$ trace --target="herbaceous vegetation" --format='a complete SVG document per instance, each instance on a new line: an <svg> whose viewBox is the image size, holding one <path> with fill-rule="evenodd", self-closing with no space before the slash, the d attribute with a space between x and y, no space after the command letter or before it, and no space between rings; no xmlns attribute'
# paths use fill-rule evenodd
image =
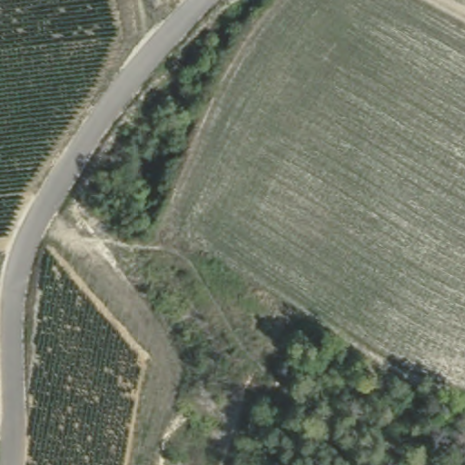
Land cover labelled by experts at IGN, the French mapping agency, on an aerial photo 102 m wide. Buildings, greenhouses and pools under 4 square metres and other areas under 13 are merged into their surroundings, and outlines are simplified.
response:
<svg viewBox="0 0 465 465"><path fill-rule="evenodd" d="M267 440L285 421L296 418L296 401L292 398L292 385L296 385L298 380L294 374L294 367L287 371L287 374L282 374L283 361L289 360L291 356L294 345L292 340L296 332L303 331L305 336L309 336L311 332L316 332L323 336L325 327L318 320L305 316L287 302L282 303L282 316L272 318L267 307L258 302L258 298L245 298L247 287L243 283L242 274L232 271L229 265L225 265L225 262L218 258L209 258L207 252L193 251L187 242L180 242L178 256L160 251L138 251L136 267L124 272L120 265L111 267L98 251L78 254L69 251L69 247L53 238L49 240L49 247L54 247L73 265L74 271L84 278L89 289L107 305L107 309L113 312L120 322L124 323L127 331L133 334L134 340L149 354L140 394L138 423L134 430L131 465L234 465L238 452L236 441L245 438ZM269 398L269 407L278 409L272 423L267 425L260 425L252 414L252 409L260 405L263 398Z"/></svg>
<svg viewBox="0 0 465 465"><path fill-rule="evenodd" d="M0 423L4 420L2 294L5 274L0 272Z"/></svg>
<svg viewBox="0 0 465 465"><path fill-rule="evenodd" d="M96 76L96 82L82 105L87 107L100 102L114 76L120 73L120 67L133 51L134 45L142 40L149 29L153 29L154 25L173 15L178 2L183 0L109 0L116 35L109 45L109 53L105 56L104 65Z"/></svg>

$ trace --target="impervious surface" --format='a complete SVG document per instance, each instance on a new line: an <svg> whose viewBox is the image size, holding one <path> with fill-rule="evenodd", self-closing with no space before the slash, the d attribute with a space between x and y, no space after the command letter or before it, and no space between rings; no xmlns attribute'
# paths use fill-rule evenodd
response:
<svg viewBox="0 0 465 465"><path fill-rule="evenodd" d="M56 223L62 220L58 209L69 193L73 189L76 176L80 174L76 167L76 156L94 153L100 138L122 114L124 105L142 89L143 80L156 65L162 64L174 45L182 42L189 27L216 0L183 0L178 2L173 15L154 25L153 29L149 29L142 40L134 45L133 51L120 67L120 73L114 76L100 102L87 107L82 105L74 114L73 120L65 127L62 136L56 140L53 151L40 165L38 173L25 185L22 203L16 211L11 229L5 236L0 236L0 272L5 274L2 294L4 420L0 423L0 465L27 465L31 458L27 427L31 412L25 409L25 398L31 385L25 381L24 372L25 292L38 243L44 240L45 236L53 236L56 232Z"/></svg>

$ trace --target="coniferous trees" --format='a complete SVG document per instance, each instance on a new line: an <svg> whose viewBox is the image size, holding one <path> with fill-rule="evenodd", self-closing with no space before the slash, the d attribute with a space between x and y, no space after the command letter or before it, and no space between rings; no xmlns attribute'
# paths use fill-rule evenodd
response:
<svg viewBox="0 0 465 465"><path fill-rule="evenodd" d="M182 42L174 45L162 64L156 65L143 80L142 89L124 105L122 114L100 138L94 153L76 156L76 167L80 174L76 176L73 189L69 193L98 220L107 234L122 242L151 243L154 240L154 232L158 231L156 218L169 194L173 193L174 180L182 171L183 156L189 149L191 136L196 124L202 120L203 107L211 100L209 84L220 78L223 67L231 62L234 53L232 45L236 45L236 42L249 31L249 18L254 9L267 7L271 0L216 0L189 27Z"/></svg>
<svg viewBox="0 0 465 465"><path fill-rule="evenodd" d="M278 409L269 407L269 398L263 398L260 405L252 409L252 414L260 425L267 425L272 423Z"/></svg>
<svg viewBox="0 0 465 465"><path fill-rule="evenodd" d="M371 358L365 358L354 347L349 347L347 343L334 340L336 334L325 327L323 336L316 332L311 332L309 336L305 336L303 331L296 332L292 340L294 345L291 356L289 360L283 361L282 374L287 374L287 371L294 367L294 374L298 380L296 385L292 385L292 398L296 401L296 418L285 421L267 440L245 438L236 441L238 452L234 465L465 465L465 385L454 387L438 372L425 369L421 363L407 363L396 356L389 356L385 363L378 365Z"/></svg>

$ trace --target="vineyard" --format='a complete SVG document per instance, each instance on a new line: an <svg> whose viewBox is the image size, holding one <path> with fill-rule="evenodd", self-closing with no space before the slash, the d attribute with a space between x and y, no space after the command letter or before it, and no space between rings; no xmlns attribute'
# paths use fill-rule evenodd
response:
<svg viewBox="0 0 465 465"><path fill-rule="evenodd" d="M31 385L25 398L25 409L31 412L27 427L31 458L27 465L131 465L134 430L138 423L140 394L149 354L134 340L133 334L127 331L124 323L120 322L113 312L107 309L107 305L89 289L84 278L74 271L73 265L54 247L49 247L49 240L53 238L53 236L45 236L44 240L38 243L25 292L24 372L25 381Z"/></svg>
<svg viewBox="0 0 465 465"><path fill-rule="evenodd" d="M25 185L38 173L40 165L53 151L56 140L62 136L65 127L73 120L74 114L82 105L96 82L96 76L104 65L105 56L109 53L109 45L116 35L109 0L0 0L0 236L5 236L11 229L16 211L22 203Z"/></svg>

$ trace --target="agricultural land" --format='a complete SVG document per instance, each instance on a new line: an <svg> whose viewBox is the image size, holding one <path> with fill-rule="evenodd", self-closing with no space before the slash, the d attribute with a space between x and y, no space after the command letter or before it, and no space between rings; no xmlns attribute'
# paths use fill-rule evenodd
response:
<svg viewBox="0 0 465 465"><path fill-rule="evenodd" d="M182 171L174 180L173 193L169 194L156 218L158 231L154 232L154 240L151 243L160 245L160 251L178 256L180 242L187 242L193 251L207 252L209 258L218 258L225 262L225 265L229 265L232 271L242 274L243 283L247 287L245 298L258 298L258 302L267 307L272 318L282 316L282 303L287 302L305 316L318 320L325 327L336 334L334 340L347 343L349 347L354 347L365 358L371 358L378 365L385 363L389 356L396 356L407 363L421 363L425 369L438 372L454 387L465 385L465 18L460 20L447 15L438 7L423 0L271 0L267 7L254 9L249 18L249 31L236 42L236 45L232 45L234 53L231 62L223 67L220 78L209 84L211 100L203 107L202 120L196 124L191 136L189 149L183 156Z"/></svg>

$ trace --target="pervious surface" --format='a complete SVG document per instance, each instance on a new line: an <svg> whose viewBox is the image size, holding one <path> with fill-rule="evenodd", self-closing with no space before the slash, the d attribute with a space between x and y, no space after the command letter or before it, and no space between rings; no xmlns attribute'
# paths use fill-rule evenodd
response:
<svg viewBox="0 0 465 465"><path fill-rule="evenodd" d="M423 0L438 7L447 15L460 20L465 18L465 0Z"/></svg>
<svg viewBox="0 0 465 465"><path fill-rule="evenodd" d="M98 251L111 267L120 265L124 272L136 267L138 251L160 251L160 245L151 243L122 242L107 234L98 220L69 193L58 209L62 220L56 223L56 232L53 236L53 238L69 247L69 251L78 254Z"/></svg>

